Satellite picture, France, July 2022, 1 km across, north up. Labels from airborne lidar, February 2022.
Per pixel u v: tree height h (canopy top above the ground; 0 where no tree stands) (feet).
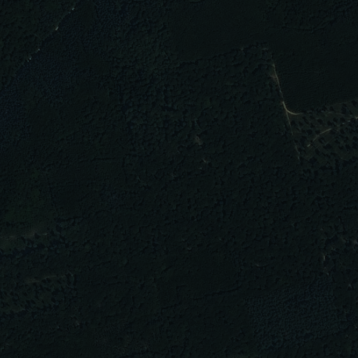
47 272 87
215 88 90
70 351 56
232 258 72
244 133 93
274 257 94
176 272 76
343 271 94
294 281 82
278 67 20
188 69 86
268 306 54
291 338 60
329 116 0
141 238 89
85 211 58
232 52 78
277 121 92
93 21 47
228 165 88
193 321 97
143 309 98
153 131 93
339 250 79
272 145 89
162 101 98
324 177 90
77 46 67
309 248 89
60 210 36
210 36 43
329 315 81
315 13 31
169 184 90
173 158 96
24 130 64
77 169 47
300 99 22
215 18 47
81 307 87
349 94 19
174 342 80
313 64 26
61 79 82
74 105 32
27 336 94
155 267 82
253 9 50
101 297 92
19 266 94
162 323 60
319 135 91
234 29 43
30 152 39
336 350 83
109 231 87
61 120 26
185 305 95
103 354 40
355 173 96
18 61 41
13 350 52
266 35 39
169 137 94
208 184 91
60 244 94
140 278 79
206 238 72
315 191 89
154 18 72
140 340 43
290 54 24
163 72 59
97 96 54
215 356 90
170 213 87
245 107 87
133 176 80
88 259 86
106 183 62
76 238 96
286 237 85
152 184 84
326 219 98
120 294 105
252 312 54
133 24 93
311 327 82
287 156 90
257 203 95
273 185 88
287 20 30
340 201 87
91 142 38
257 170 94
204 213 101
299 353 95
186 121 81
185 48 45
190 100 93
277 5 24
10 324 93
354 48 39
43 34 76
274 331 78
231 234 91
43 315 76
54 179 44
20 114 84
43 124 22
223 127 91
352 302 85
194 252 45
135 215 84
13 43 68
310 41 47
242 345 90
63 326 73
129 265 79
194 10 50
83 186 57
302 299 82
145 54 58
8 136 59
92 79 69
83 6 70
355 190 90
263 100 85
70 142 35
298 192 73
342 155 0
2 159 59
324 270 93
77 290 79
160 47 62
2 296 91
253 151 78
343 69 38
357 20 31
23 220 0
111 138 30
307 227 94
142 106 110
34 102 23
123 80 71
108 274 102
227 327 95
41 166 26
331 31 43
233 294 79
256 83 89
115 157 28
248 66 76
